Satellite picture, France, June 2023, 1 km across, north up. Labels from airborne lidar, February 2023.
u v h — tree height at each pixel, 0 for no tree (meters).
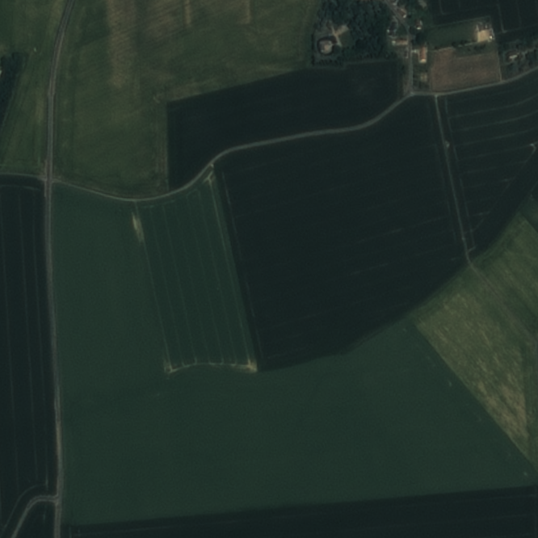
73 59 0
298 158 0
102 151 0
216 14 0
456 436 0
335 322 0
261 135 0
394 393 0
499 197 0
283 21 0
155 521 0
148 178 0
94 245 0
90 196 0
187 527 0
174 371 0
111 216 0
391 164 0
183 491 0
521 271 0
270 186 0
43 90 0
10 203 0
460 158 0
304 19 0
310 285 0
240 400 0
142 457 0
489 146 0
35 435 0
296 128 0
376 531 0
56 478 0
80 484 0
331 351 0
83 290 0
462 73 0
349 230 0
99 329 0
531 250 0
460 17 0
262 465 0
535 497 0
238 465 0
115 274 0
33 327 0
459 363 0
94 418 0
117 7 0
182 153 0
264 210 0
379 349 0
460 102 0
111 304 0
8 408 0
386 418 0
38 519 0
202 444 0
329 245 0
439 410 0
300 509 0
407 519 0
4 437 0
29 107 0
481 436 0
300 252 0
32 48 0
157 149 0
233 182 0
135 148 0
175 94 0
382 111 0
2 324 0
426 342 0
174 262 0
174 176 0
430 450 0
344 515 0
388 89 0
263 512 0
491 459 0
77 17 0
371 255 0
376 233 0
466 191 0
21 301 0
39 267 0
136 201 0
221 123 0
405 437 0
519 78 0
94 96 0
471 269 0
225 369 0
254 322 0
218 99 0
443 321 0
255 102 0
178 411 0
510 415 0
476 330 0
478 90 0
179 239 0
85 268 0
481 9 0
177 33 0
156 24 0
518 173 0
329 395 0
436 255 0
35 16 0
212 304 0
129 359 0
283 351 0
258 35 0
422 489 0
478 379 0
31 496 0
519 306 0
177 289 0
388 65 0
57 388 0
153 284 0
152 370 0
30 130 0
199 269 0
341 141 0
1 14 0
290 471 0
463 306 0
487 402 0
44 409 0
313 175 0
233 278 0
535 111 0
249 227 0
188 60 0
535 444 0
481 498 0
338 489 0
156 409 0
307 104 0
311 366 0
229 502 0
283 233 0
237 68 0
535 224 0
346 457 0
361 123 0
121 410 0
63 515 0
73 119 0
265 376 0
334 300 0
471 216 0
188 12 0
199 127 0
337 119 0
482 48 7
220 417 0
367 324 0
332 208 0
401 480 0
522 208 0
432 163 0
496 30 0
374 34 17
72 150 0
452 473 0
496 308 0
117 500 0
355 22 19
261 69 0
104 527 0
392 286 0
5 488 0
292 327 0
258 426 0
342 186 0
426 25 0
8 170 0
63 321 0
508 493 0
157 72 0
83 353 0
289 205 0
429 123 0
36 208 0
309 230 0
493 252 0
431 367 0
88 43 0
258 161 0
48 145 0
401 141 0
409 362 0
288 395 0
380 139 0
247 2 0
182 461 0
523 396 0
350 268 0
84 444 0
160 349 0
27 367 0
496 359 0
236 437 0
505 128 0
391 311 0
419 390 0
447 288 0
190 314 0
